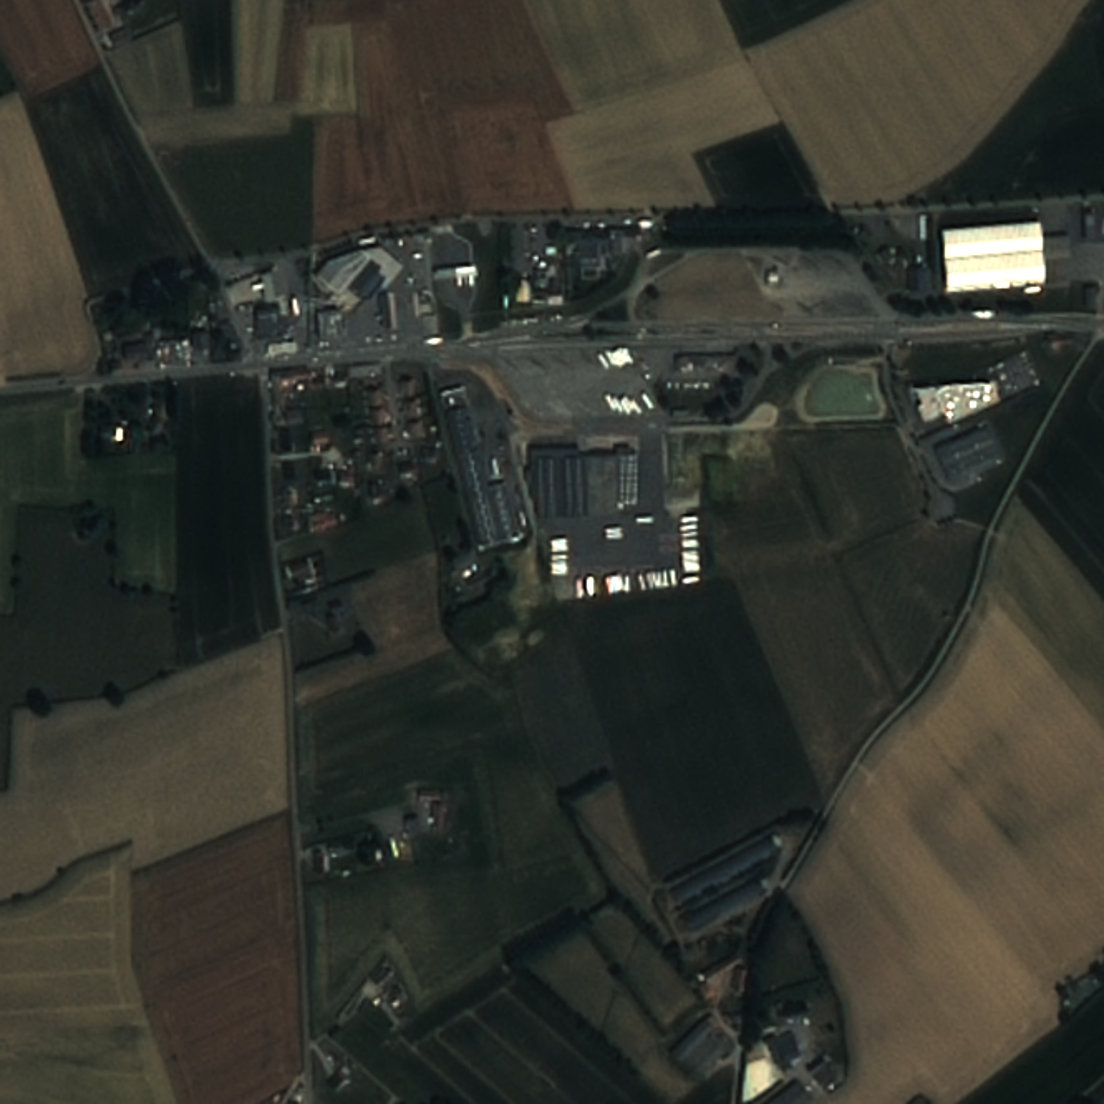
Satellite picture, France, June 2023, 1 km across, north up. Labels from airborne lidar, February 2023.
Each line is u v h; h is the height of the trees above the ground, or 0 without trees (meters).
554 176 0
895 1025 0
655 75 0
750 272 0
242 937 0
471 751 0
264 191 0
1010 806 0
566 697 0
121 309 16
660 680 0
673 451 0
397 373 0
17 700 0
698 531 0
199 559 0
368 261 0
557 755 0
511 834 0
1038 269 0
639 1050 0
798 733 0
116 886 0
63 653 0
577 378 0
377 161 0
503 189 0
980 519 0
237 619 0
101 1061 0
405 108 0
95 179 0
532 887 0
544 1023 0
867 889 0
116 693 15
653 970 0
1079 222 0
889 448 0
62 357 0
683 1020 0
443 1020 0
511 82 0
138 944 0
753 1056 0
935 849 0
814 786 0
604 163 0
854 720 0
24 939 0
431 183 0
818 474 0
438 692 0
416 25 0
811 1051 0
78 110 0
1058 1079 0
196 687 0
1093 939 0
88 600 0
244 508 0
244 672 0
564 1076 0
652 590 0
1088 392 0
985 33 0
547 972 0
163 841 0
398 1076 0
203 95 0
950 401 0
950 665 0
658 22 0
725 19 0
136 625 0
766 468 0
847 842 0
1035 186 0
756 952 12
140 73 0
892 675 0
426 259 0
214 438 0
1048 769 0
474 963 0
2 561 0
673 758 0
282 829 0
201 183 0
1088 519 0
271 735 0
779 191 0
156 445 12
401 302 0
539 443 0
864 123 0
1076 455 0
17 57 0
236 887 0
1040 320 0
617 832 0
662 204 0
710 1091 0
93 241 0
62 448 0
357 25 0
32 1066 0
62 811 0
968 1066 0
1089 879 0
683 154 0
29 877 0
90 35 0
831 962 0
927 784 0
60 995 0
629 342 0
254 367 0
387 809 0
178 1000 0
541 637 0
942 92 0
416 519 0
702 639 0
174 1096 0
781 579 0
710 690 0
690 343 0
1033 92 0
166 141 0
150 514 0
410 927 0
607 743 0
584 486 0
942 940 0
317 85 0
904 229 0
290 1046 0
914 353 0
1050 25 0
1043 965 0
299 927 0
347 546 0
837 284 0
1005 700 0
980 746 0
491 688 0
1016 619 0
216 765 0
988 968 0
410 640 0
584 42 0
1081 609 0
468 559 0
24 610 0
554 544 0
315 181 0
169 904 0
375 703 0
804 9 0
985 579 0
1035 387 0
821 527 0
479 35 0
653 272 0
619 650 0
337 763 0
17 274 0
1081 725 0
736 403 12
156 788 0
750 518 0
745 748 0
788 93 0
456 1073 0
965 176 0
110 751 0
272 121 0
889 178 0
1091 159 0
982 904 0
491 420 0
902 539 0
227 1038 0
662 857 0
